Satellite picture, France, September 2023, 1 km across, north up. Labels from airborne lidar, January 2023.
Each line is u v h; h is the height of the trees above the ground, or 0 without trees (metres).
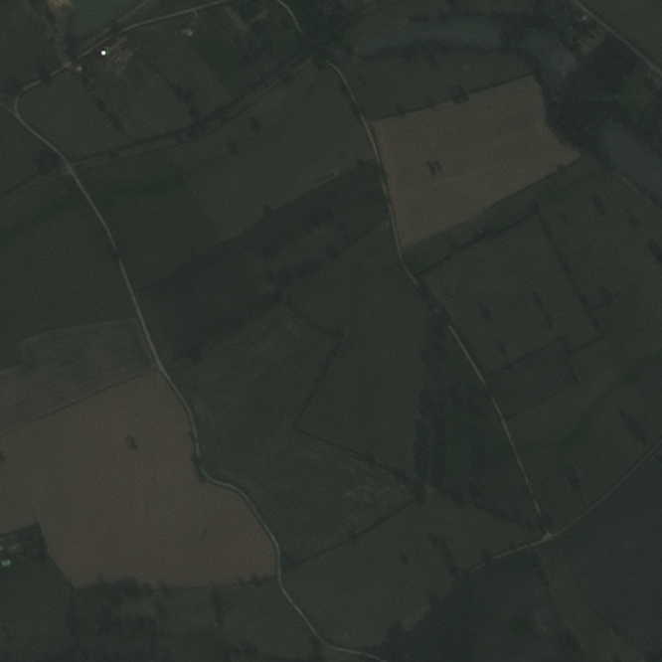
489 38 0
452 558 14
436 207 0
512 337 0
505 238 0
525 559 0
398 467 0
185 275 0
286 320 0
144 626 18
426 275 0
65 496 0
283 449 0
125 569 0
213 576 0
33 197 0
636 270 0
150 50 0
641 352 0
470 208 0
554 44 0
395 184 0
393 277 0
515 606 0
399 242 0
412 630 0
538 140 0
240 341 0
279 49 0
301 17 0
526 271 0
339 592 0
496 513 15
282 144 0
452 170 0
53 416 0
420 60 0
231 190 0
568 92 30
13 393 0
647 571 0
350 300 0
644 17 0
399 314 0
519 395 0
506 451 0
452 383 0
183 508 0
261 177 0
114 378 0
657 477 0
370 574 0
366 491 0
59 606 0
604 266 0
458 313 0
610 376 0
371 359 0
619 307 0
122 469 0
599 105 8
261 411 0
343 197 0
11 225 0
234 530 0
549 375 0
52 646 0
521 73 0
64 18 0
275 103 0
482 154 0
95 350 0
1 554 13
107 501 0
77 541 0
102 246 0
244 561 0
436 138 0
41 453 0
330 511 0
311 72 0
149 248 0
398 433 0
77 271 0
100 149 0
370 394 0
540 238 0
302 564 0
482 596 0
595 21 8
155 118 0
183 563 0
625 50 18
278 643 0
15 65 0
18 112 0
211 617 0
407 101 0
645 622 0
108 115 0
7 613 0
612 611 0
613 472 0
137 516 0
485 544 0
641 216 0
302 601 0
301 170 0
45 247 0
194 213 0
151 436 0
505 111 0
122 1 0
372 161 0
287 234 0
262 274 0
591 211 0
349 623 0
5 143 0
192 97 16
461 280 0
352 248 0
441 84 0
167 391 0
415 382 0
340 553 0
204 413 0
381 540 0
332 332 0
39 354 0
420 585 0
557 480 0
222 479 0
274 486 0
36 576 0
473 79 0
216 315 0
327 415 0
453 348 0
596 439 0
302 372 0
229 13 0
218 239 0
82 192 0
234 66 0
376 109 0
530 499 14
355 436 0
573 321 0
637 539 0
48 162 10
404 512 0
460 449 0
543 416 0
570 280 0
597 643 0
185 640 0
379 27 0
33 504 0
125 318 0
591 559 0
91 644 0
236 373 0
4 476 0
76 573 0
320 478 0
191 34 0
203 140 0
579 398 0
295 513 0
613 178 0
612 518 0
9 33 0
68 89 0
